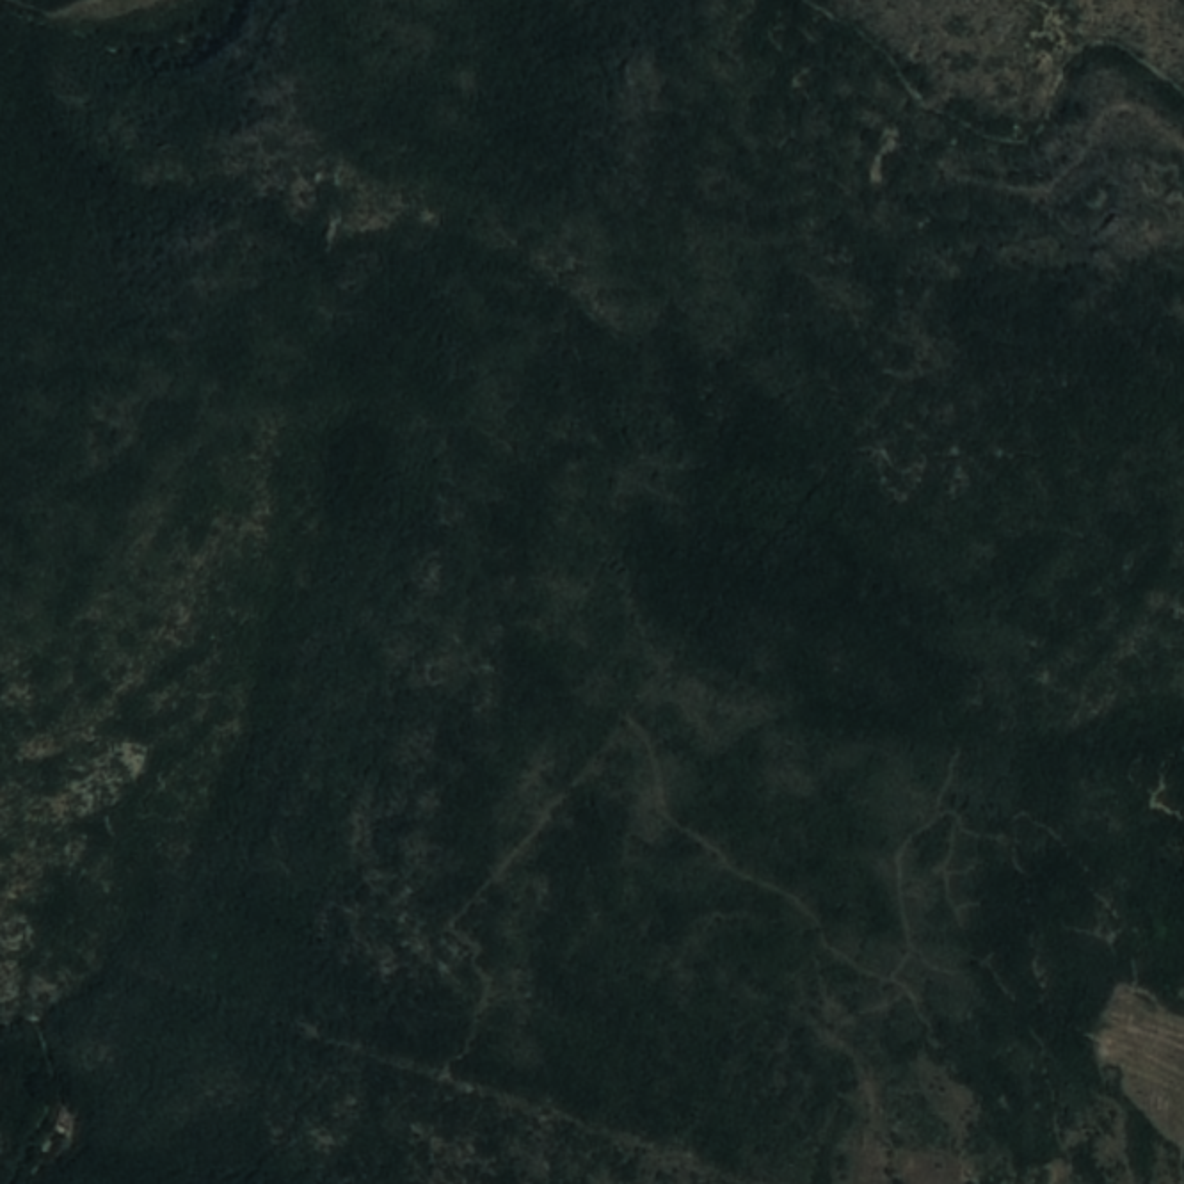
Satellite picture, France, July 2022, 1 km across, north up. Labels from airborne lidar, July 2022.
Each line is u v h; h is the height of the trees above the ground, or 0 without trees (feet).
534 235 20
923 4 0
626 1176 21
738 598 18
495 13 30
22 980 30
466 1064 19
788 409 27
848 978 20
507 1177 19
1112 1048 0
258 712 24
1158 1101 0
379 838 19
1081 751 21
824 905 20
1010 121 22
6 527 22
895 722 24
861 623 23
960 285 26
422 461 18
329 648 26
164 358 18
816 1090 24
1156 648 24
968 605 25
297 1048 20
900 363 18
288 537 22
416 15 20
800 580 27
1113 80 0
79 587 18
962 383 21
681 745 18
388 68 21
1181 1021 0
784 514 22
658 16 24
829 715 29
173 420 18
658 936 22
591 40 26
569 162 19
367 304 21
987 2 0
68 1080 29
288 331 18
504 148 23
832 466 19
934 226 20
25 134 40
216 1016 21
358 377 23
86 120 19
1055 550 19
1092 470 22
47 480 17
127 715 27
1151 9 0
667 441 31
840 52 23
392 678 19
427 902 17
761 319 20
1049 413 19
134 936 23
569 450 18
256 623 23
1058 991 21
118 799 21
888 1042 18
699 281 27
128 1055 21
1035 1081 27
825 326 26
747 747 20
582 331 20
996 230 27
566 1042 18
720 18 21
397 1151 19
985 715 23
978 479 20
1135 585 20
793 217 18
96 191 32
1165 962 29
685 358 17
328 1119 18
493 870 0
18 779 21
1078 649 19
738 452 29
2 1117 27
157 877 27
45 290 19
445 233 18
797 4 39
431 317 20
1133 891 21
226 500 20
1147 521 27
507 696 18
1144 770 21
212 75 21
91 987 31
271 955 21
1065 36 24
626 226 21
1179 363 18
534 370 26
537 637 20
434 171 22
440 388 19
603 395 23
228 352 17
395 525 23
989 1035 26
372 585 23
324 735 19
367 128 23
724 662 23
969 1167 0
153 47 47
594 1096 18
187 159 19
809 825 21
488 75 28
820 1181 24
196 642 19
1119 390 20
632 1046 19
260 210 31
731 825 20
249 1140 22
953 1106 0
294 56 18
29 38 25
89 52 20
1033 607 20
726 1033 17
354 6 24
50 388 20
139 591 20
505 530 19
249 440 27
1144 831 26
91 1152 34
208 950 23
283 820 18
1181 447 21
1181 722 21
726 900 23
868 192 31
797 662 20
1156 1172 0
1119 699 26
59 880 22
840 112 21
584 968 19
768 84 22
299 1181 23
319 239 23
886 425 17
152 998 20
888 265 22
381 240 26
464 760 23
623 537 18
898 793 0
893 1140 22
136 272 22
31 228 30
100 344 21
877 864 0
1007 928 26
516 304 26
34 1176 28
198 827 22
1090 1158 18
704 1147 20
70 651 18
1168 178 19
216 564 18
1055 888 18
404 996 19
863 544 20
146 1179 33
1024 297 20
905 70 42
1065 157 20
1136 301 19
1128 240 0
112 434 22
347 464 35
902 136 20
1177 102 19
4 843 23
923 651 22
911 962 0
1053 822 19
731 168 18
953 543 21
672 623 18
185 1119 21
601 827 17
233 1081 19
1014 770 18
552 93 18
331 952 18
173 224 26
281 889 22
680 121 19
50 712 21
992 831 23
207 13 60
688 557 22
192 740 28
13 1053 25
